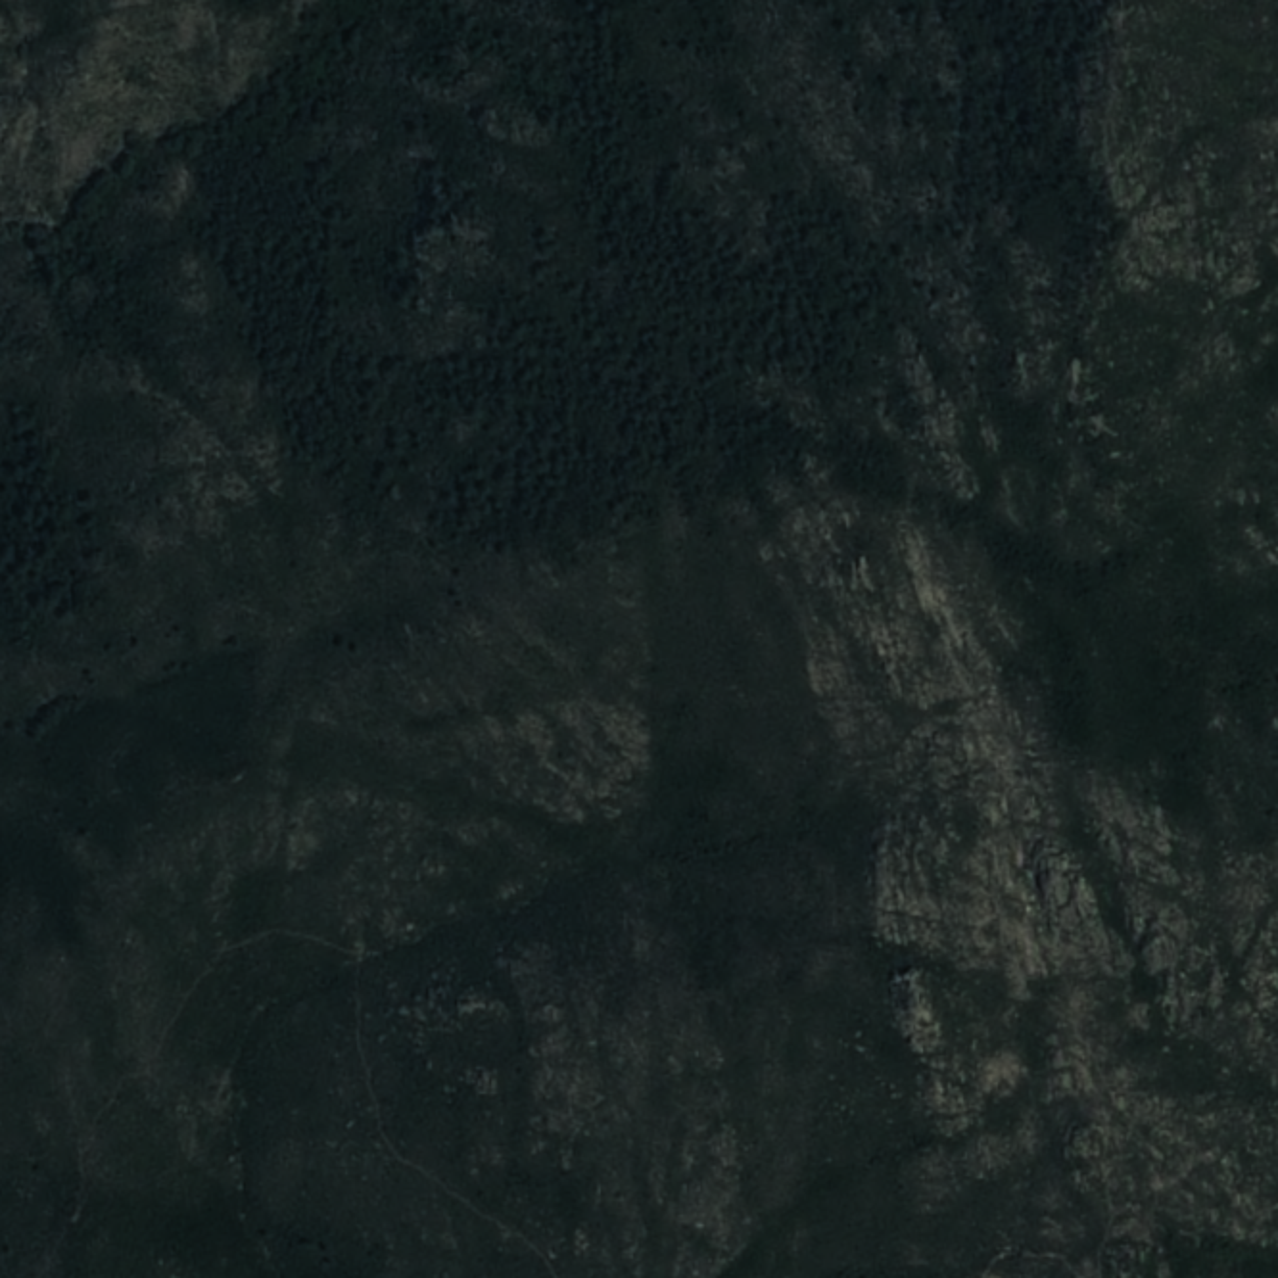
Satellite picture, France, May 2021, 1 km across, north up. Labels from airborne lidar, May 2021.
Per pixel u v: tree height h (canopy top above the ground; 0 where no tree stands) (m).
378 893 0
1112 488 6
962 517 9
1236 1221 0
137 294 10
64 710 17
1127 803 0
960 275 8
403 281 6
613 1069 0
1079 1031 0
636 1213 0
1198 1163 0
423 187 7
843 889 0
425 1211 0
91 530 12
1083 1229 0
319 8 5
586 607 0
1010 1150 0
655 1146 0
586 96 13
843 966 0
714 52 13
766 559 0
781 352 7
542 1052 0
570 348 10
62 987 0
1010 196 13
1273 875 0
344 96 7
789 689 0
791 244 13
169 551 0
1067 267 10
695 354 10
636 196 12
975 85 7
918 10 13
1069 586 6
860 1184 0
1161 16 0
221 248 19
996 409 7
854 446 11
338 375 17
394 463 6
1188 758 10
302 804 0
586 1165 0
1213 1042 0
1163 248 6
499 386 17
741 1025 0
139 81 6
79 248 7
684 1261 0
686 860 8
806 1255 0
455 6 7
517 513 9
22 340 7
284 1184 0
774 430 9
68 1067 0
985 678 0
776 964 0
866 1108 0
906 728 0
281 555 0
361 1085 0
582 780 0
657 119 11
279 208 17
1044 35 15
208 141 15
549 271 11
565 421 17
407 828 0
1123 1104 0
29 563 20
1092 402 8
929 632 0
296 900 0
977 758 0
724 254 15
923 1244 0
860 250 15
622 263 15
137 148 22
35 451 15
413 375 12
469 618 0
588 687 0
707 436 12
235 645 14
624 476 15
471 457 6
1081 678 7
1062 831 0
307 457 17
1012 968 0
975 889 0
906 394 7
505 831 0
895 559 0
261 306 18
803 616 0
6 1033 0
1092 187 15
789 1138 0
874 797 0
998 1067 0
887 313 11
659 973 0
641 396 18
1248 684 10
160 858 0
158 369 8
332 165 16
